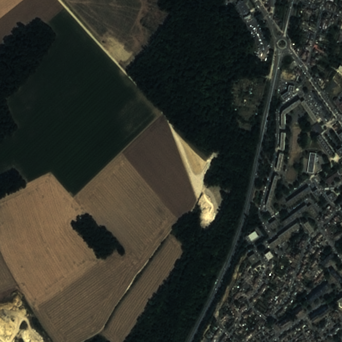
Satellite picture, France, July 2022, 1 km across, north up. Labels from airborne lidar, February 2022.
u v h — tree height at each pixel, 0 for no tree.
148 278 0
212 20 18
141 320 9
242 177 17
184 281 17
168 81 20
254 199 8
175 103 20
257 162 0
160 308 17
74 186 0
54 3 0
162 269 0
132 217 0
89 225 20
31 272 0
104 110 0
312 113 0
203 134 18
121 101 0
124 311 0
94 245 20
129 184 0
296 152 0
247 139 20
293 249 6
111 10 0
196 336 11
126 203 0
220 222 8
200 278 19
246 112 0
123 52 0
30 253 0
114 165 0
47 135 0
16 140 0
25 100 0
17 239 0
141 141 0
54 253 0
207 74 17
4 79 23
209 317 15
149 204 0
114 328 0
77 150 0
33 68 22
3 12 0
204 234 17
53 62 0
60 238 0
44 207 0
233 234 19
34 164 0
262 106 12
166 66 21
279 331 0
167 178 0
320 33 6
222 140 22
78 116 0
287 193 18
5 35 0
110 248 19
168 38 9
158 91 21
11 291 0
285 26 0
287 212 14
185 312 18
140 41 0
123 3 0
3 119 20
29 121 0
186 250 11
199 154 0
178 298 22
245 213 0
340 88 0
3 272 0
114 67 0
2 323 0
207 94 17
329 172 14
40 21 18
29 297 0
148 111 0
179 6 17
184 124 22
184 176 0
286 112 0
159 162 0
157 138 0
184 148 0
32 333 0
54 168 0
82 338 0
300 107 0
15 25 0
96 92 0
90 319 0
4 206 0
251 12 0
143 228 0
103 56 0
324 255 15
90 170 0
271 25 0
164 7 22
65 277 0
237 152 16
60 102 0
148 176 0
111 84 0
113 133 0
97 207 0
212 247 17
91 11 0
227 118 14
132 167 0
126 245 0
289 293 0
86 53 0
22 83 18
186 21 21
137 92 0
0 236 0
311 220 15
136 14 0
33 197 0
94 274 0
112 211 0
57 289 0
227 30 25
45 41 20
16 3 0
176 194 0
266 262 0
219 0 21
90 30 0
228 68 19
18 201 0
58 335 0
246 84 0
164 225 0
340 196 11
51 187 0
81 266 0
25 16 0
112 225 0
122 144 0
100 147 0
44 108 0
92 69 0
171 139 0
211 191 14
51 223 0
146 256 0
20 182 23
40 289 0
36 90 0
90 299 0
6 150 0
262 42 0
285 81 0
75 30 0
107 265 0
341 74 0
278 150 0
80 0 0
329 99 0
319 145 0
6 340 0
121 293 0
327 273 20
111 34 0
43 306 0
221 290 13
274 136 16
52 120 0
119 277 0
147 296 0
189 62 25
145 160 0
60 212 0
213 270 14
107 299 0
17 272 0
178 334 17
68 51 0
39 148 0
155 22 13
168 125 0
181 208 0
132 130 0
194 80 17
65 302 0
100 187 0
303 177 12
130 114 0
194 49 23
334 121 0
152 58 22
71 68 0
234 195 13
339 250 14
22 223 0
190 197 0
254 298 0
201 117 22
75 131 0
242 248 19
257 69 20
